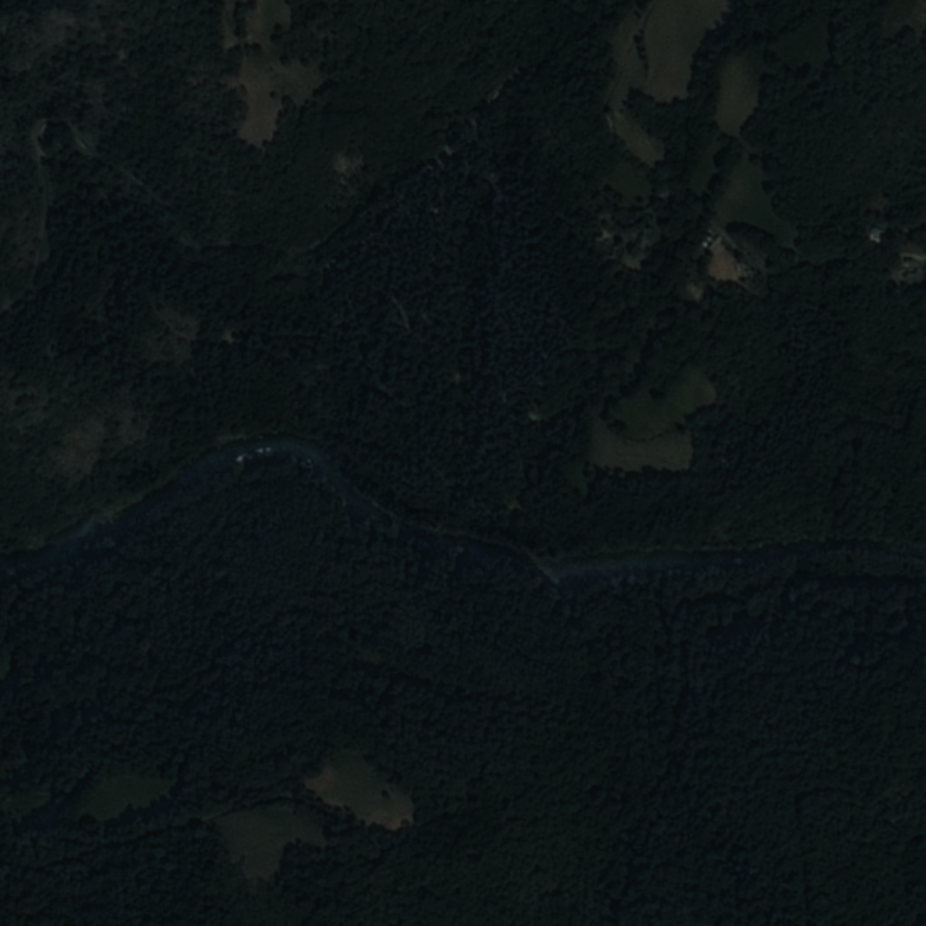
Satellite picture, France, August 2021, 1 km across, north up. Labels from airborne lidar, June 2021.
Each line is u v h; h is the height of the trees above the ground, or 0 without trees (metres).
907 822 20
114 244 30
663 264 26
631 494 20
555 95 20
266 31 0
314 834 0
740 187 0
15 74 9
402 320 32
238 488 13
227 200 7
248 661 19
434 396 38
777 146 20
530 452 28
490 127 33
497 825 14
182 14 9
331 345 20
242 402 23
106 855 11
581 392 27
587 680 18
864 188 19
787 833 21
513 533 18
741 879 24
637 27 0
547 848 25
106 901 10
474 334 27
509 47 30
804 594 30
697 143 29
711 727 18
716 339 17
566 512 21
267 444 0
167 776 19
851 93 10
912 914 20
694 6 0
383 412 29
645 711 21
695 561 0
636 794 34
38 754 24
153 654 12
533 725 22
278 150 10
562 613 26
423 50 23
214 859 7
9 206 12
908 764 25
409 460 23
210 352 30
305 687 20
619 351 13
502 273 35
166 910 12
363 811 0
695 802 22
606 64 15
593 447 11
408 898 20
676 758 16
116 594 23
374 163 20
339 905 18
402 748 23
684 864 23
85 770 15
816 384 30
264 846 0
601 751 22
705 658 27
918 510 20
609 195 15
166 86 13
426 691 21
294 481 9
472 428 22
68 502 20
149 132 17
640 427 0
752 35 24
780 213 14
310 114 16
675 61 0
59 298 34
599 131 19
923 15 0
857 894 21
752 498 27
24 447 10
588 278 18
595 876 29
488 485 25
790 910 25
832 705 20
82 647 17
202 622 13
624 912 33
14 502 23
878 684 26
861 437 25
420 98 16
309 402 15
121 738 28
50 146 24
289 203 16
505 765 25
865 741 23
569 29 24
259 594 11
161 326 8
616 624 17
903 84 10
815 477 30
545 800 20
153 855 11
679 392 0
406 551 23
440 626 28
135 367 21
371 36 23
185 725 21
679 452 0
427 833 15
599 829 21
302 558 13
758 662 28
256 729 18
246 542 14
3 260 18
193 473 0
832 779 20
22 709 20
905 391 11
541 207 36
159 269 26
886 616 26
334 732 26
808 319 31
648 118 13
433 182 39
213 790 16
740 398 17
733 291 16
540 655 24
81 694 18
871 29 18
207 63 7
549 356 35
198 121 8
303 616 18
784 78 18
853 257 19
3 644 23
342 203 17
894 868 16
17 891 17
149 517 19
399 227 34
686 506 23
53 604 27
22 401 12
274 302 24
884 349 14
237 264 20
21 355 26
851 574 6
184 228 11
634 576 18
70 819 20
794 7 17
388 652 22
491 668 22
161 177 13
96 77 13
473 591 29
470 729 25
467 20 23
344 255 22
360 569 22
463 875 19
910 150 21
